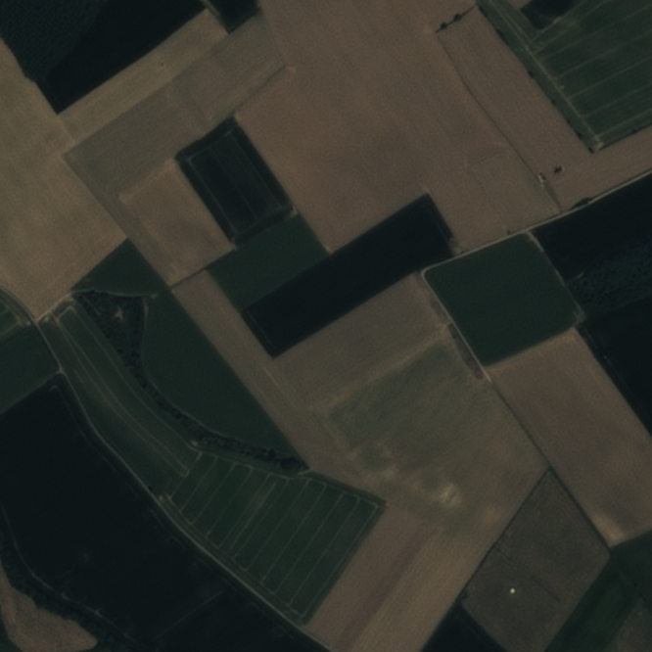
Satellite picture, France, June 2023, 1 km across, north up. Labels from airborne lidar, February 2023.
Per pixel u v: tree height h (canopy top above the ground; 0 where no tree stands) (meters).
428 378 0
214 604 0
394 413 0
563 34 0
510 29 0
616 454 0
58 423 0
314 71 0
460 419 0
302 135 0
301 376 0
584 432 0
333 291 0
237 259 0
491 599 0
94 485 0
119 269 0
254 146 0
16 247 0
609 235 0
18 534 0
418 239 0
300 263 0
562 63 0
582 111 0
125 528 0
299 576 0
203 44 0
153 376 0
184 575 0
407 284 0
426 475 0
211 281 0
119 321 0
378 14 0
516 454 0
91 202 0
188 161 0
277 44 0
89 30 0
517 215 0
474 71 0
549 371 0
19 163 0
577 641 0
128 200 0
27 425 0
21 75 0
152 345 0
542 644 0
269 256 0
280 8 0
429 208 0
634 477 0
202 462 0
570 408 0
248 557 0
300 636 0
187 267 0
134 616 0
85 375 0
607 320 0
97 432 0
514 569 0
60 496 0
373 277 0
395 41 0
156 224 0
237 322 0
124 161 0
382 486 0
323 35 0
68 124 0
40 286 0
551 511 0
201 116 0
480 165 0
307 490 0
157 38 0
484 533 0
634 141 0
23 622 0
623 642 0
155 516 0
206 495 0
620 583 0
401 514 0
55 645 0
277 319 0
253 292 0
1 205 0
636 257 16
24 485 0
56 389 0
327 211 0
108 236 0
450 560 0
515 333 0
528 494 0
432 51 0
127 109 0
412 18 0
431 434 0
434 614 0
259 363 0
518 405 0
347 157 0
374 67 0
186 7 0
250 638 0
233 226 0
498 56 0
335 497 0
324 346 0
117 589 0
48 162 0
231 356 0
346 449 0
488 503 0
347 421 0
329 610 0
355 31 0
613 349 0
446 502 0
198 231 0
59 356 0
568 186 0
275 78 0
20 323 0
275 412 0
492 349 0
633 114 0
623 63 0
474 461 0
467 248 0
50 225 0
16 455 0
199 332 0
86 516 0
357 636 0
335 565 0
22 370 0
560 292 0
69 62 0
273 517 0
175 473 0
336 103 0
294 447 0
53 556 0
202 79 0
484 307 0
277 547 0
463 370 0
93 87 0
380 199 0
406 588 0
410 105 0
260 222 0
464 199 0
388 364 0
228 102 0
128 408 0
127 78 0
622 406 0
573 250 0
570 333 0
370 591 0
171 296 0
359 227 0
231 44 0
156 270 0
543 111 0
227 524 0
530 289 0
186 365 0
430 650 0
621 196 0
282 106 0
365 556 0
